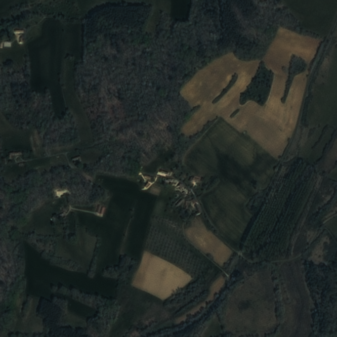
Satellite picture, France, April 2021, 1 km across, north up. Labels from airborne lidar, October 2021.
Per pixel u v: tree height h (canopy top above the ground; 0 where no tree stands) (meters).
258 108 0
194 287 13
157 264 0
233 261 8
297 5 0
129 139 20
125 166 26
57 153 0
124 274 13
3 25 20
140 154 25
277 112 0
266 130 0
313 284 19
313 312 14
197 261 18
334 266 16
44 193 16
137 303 0
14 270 15
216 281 0
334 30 8
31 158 7
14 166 0
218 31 23
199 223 0
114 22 21
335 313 16
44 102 11
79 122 0
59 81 10
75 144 10
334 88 0
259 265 9
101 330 23
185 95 0
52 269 0
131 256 0
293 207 31
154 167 0
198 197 7
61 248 0
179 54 27
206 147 0
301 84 0
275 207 27
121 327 0
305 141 0
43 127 17
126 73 9
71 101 0
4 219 12
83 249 0
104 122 17
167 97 12
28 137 0
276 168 11
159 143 20
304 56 0
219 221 0
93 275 13
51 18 0
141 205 0
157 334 8
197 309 0
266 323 0
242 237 0
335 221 0
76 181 21
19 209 23
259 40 22
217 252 0
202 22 19
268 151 0
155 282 0
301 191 31
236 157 0
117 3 0
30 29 11
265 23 25
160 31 14
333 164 0
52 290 16
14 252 22
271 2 12
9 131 0
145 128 20
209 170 0
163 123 22
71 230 0
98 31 18
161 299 0
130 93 15
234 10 21
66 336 20
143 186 17
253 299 0
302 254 11
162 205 0
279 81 0
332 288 21
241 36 17
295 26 18
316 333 16
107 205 0
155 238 13
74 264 11
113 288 0
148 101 20
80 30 0
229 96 0
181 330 18
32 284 0
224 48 22
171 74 22
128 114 14
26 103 22
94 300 20
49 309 22
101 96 19
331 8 0
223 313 19
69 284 0
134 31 13
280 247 26
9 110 14
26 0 0
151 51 25
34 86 0
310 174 19
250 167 0
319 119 0
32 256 0
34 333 0
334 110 0
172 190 0
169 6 0
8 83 13
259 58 16
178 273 0
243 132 0
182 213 18
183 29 21
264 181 0
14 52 0
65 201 0
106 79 16
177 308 0
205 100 0
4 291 15
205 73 0
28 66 14
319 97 0
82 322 0
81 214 0
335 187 11
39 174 20
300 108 0
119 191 0
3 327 19
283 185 23
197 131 0
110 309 24
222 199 0
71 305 0
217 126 0
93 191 19
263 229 30
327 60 0
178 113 21
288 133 0
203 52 24
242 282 11
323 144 0
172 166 0
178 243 15
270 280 0
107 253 0
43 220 0
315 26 0
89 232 7
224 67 0
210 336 0
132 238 0
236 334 0
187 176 8
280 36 0
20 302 0
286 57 0
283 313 20
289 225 28
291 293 0
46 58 0
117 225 0
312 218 8
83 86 18
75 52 0
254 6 23
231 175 0
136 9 21
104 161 18
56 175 16
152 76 19
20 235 16
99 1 0
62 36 0
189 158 0
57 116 0
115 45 27
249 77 0
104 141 8
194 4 18
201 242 0
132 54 14
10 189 23
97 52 18
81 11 0
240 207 0
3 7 0
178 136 19
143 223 0
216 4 20
